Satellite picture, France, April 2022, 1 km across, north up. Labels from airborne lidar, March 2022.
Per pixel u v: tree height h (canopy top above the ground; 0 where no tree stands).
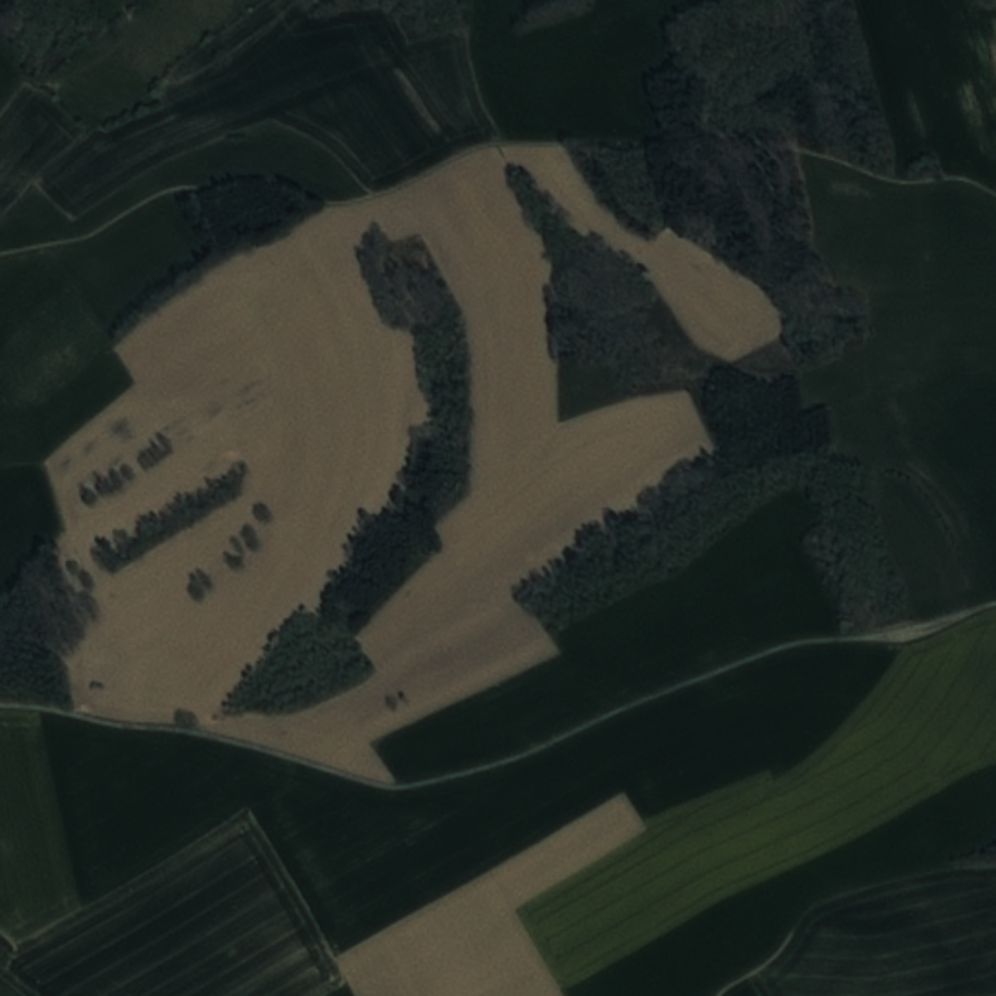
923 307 0
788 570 0
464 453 22
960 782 0
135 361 0
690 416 0
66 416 0
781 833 0
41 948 0
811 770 0
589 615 13
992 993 0
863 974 0
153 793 0
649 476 0
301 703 11
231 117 0
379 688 0
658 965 0
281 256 0
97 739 0
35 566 19
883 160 15
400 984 0
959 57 0
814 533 9
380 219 0
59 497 0
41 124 0
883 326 0
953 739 0
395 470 0
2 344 0
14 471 0
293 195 23
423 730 0
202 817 0
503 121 0
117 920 0
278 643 14
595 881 0
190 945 0
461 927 0
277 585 0
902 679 0
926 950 0
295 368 0
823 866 0
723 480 15
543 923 0
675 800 0
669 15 0
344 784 0
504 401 0
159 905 0
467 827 0
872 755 0
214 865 0
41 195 0
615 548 22
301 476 0
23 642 23
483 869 0
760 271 20
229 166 0
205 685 0
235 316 0
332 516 0
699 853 0
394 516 14
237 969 0
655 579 13
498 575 0
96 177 0
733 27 18
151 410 0
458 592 0
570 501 0
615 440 0
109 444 0
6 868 0
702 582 0
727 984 0
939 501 0
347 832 0
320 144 0
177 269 0
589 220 0
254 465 0
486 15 0
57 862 0
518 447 0
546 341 0
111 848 0
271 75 0
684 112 21
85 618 23
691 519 17
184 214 12
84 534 0
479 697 0
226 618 0
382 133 0
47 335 0
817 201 0
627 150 8
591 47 0
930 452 0
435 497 23
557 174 0
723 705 0
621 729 0
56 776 0
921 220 0
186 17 0
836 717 0
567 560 0
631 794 0
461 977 0
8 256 0
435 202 0
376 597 28
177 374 0
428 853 0
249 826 0
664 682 0
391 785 0
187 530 22
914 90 0
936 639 0
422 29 17
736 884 0
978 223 0
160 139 0
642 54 0
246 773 0
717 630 0
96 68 0
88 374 0
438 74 0
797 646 0
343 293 0
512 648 0
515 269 0
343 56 0
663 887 0
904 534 0
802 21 19
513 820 0
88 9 16
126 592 0
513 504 0
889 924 0
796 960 0
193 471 0
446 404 19
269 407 0
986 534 0
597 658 0
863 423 0
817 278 22
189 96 0
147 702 0
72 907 0
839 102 16
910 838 0
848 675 0
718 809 0
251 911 0
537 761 0
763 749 0
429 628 0
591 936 0
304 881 0
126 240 0
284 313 0
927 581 0
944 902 0
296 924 0
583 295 22
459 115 0
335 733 0
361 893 0
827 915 0
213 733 0
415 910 0
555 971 0
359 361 0
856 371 0
